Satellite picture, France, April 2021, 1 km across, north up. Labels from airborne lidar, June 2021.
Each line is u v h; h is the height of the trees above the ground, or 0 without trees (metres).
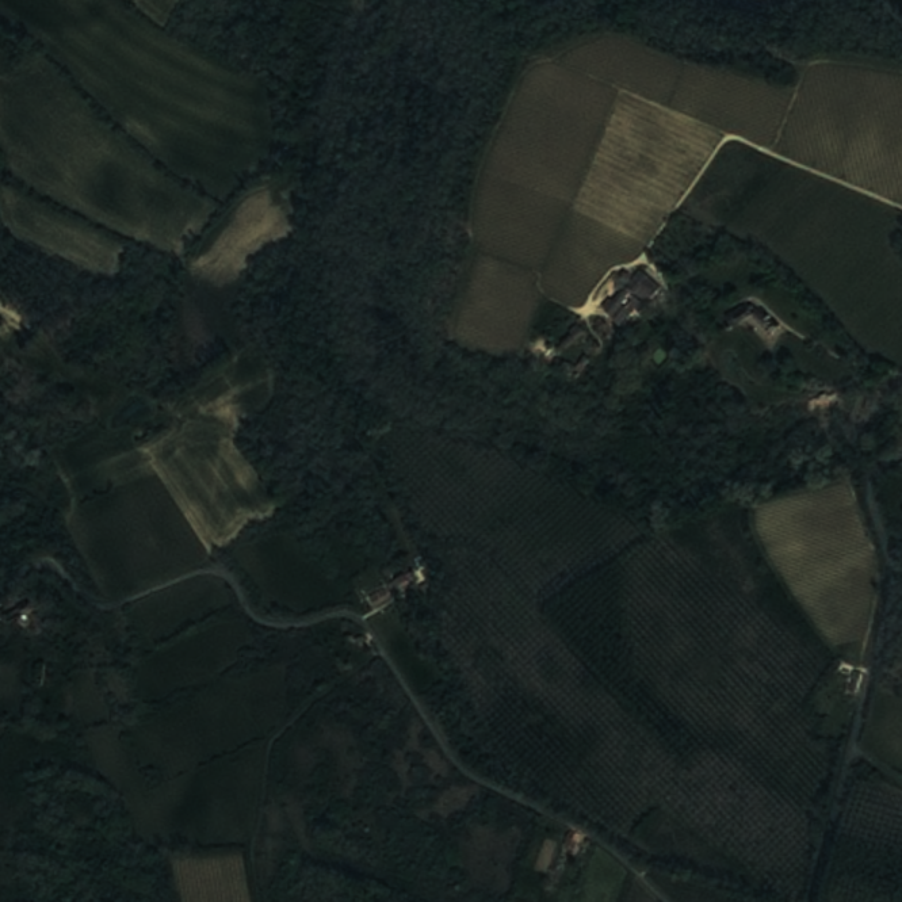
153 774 7
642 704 19
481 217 0
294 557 0
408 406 22
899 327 0
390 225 17
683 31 20
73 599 17
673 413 34
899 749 0
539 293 0
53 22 0
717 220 0
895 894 34
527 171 0
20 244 12
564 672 25
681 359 32
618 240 0
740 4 16
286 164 23
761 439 7
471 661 23
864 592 0
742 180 0
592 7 24
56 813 18
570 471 6
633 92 0
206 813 0
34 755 0
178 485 0
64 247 0
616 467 16
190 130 0
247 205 0
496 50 22
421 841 6
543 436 20
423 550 19
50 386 17
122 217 0
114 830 22
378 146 23
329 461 7
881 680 15
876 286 0
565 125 0
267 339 17
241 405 0
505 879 0
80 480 0
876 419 8
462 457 24
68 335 18
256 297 6
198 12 6
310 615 6
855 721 0
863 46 15
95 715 0
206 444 0
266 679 0
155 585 0
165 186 0
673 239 6
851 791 15
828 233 0
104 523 0
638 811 18
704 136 0
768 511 0
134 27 0
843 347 9
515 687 19
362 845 10
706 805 22
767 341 0
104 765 0
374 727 8
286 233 0
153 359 23
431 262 15
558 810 18
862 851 34
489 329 0
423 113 25
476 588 24
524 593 27
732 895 16
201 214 0
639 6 21
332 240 27
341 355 23
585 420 20
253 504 0
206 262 0
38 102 0
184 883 0
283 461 23
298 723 0
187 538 0
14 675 0
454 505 24
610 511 27
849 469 22
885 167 0
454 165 19
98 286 10
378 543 9
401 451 24
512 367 18
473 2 19
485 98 20
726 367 0
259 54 29
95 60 0
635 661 24
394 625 0
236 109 0
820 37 20
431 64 17
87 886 17
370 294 18
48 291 25
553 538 27
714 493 16
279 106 19
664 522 30
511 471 27
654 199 0
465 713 18
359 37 13
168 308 8
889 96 0
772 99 0
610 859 0
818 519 0
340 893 19
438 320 13
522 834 0
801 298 10
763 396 0
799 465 23
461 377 17
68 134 0
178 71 0
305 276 23
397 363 22
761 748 18
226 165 0
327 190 20
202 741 0
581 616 27
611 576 27
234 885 0
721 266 17
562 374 16
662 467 7
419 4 15
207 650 0
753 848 25
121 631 0
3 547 11
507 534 26
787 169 0
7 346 0
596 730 15
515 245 0
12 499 16
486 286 0
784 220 0
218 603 0
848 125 0
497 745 14
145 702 7
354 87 18
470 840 0
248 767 0
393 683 6
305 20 7
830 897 28
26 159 0
